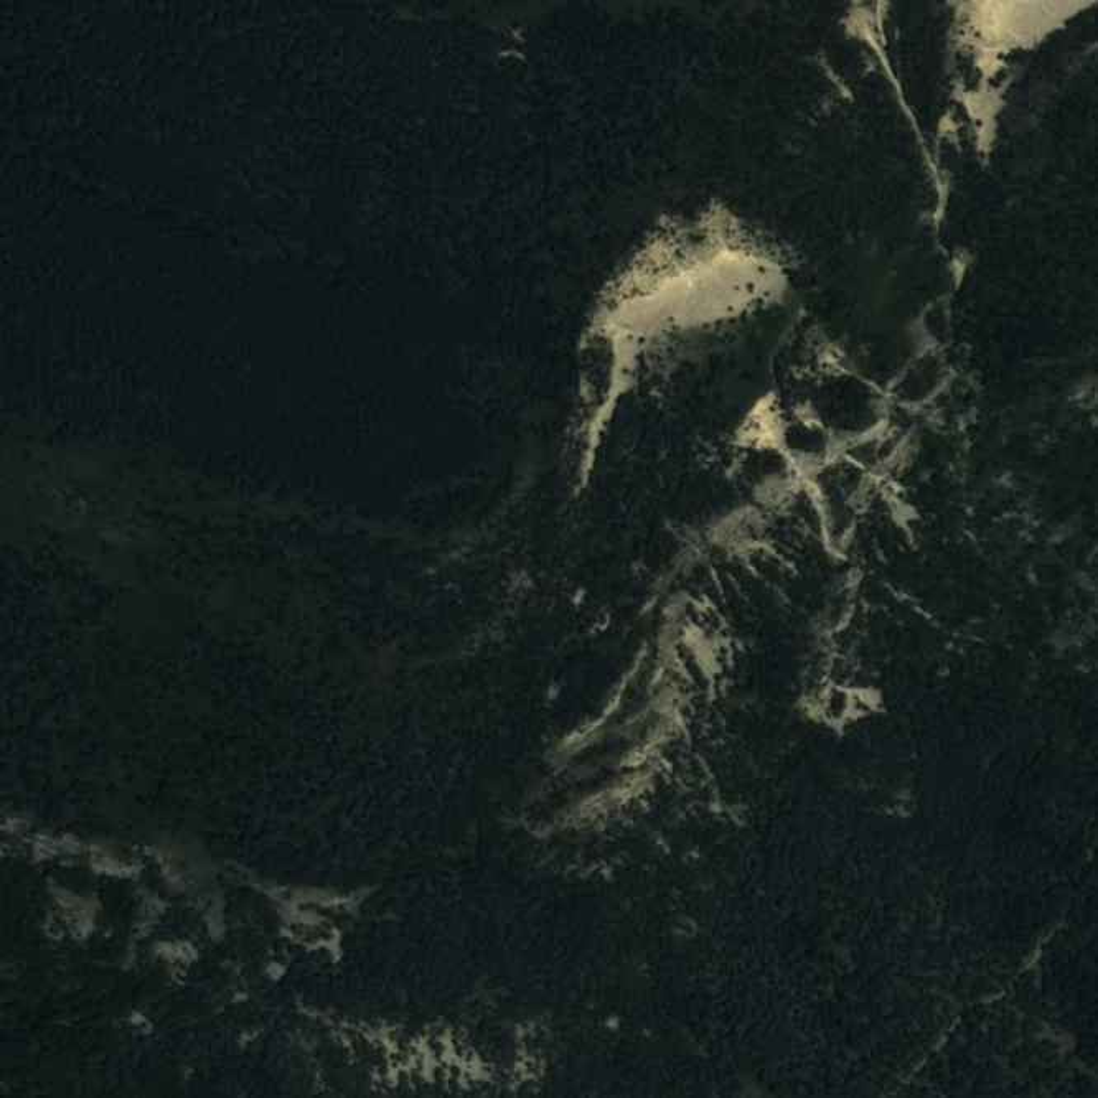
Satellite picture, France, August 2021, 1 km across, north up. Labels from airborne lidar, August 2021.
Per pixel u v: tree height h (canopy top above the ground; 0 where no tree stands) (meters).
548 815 10
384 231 8
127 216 10
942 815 8
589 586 10
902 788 8
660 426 8
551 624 7
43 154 14
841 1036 9
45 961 14
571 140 8
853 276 6
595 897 9
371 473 9
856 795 6
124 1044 7
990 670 8
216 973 14
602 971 11
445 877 12
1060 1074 9
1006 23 0
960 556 7
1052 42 6
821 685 11
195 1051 12
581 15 6
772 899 10
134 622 0
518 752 8
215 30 13
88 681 9
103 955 11
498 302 8
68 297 12
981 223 6
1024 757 8
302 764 14
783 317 0
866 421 9
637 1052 7
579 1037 7
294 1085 13
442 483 7
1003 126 8
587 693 9
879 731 11
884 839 11
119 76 11
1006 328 7
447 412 11
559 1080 10
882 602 7
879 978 12
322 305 10
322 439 9
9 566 8
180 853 0
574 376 6
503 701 8
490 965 8
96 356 8
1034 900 14
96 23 13
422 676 7
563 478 10
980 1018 13
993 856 10
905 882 10
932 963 12
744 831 10
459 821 12
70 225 12
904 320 0
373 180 8
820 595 7
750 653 9
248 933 8
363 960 10
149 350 10
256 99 11
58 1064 13
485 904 10
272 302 11
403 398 10
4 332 9
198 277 11
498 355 8
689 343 0
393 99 8
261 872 11
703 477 9
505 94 8
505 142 7
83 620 9
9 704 10
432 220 7
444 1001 11
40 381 10
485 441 10
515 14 0
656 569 9
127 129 9
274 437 8
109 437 9
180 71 14
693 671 11
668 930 9
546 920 11
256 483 8
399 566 7
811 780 9
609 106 8
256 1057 12
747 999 18
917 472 10
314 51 7
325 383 10
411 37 7
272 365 10
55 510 0
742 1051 12
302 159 8
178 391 10
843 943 9
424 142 9
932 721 10
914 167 7
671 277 0
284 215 9
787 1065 14
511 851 10
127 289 11
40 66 10
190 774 7
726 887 7
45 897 7
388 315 9
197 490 7
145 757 7
